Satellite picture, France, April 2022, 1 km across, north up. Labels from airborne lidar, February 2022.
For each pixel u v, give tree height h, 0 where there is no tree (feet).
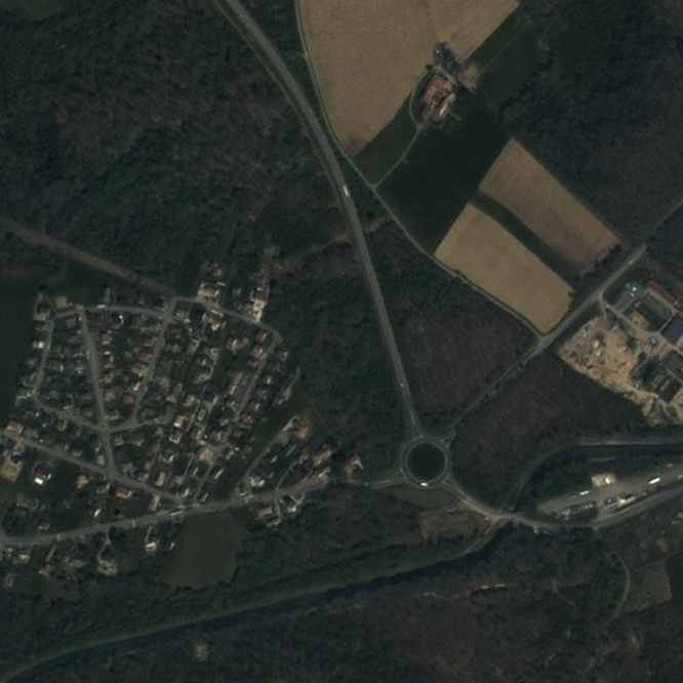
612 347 0
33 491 0
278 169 91
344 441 65
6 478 0
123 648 0
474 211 0
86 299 0
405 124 0
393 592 92
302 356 68
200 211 72
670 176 78
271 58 0
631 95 81
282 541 85
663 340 0
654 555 0
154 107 87
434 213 0
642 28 52
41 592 0
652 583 0
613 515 0
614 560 29
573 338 0
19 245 60
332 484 0
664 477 0
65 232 80
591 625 36
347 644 81
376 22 0
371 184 0
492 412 55
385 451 37
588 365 0
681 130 90
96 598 79
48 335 0
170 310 0
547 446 83
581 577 90
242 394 0
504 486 73
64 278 0
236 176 76
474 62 0
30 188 85
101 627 60
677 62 86
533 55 0
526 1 75
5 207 78
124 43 82
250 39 0
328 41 0
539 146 80
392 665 64
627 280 0
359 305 43
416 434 0
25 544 0
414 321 86
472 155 0
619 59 36
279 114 97
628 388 0
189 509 0
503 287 0
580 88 45
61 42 58
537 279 0
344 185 0
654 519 0
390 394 45
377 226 0
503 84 0
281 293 59
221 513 0
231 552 0
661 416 0
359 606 89
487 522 0
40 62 60
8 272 75
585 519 0
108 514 24
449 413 53
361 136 0
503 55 0
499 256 0
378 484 0
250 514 0
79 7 79
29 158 43
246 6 45
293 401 0
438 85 0
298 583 64
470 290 30
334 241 46
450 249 0
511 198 0
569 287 0
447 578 94
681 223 74
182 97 81
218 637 91
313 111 0
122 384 18
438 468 0
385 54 0
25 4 0
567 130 76
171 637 0
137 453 0
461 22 0
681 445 0
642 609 0
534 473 0
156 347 0
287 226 43
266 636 87
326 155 0
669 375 0
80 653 0
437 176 0
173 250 76
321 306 91
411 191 0
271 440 0
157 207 79
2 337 0
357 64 0
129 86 83
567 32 43
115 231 47
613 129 92
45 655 58
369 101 0
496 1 0
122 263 63
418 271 44
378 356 54
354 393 54
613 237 0
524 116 59
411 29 0
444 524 0
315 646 81
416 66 0
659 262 76
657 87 77
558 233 0
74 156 34
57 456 0
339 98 0
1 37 29
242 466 0
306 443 0
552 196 0
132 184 74
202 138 96
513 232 0
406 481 0
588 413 39
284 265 28
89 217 54
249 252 62
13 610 82
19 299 0
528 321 0
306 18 0
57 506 30
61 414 0
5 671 76
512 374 0
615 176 84
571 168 83
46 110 81
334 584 53
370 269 0
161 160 66
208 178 83
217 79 82
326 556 78
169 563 0
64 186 85
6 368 0
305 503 0
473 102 19
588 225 0
